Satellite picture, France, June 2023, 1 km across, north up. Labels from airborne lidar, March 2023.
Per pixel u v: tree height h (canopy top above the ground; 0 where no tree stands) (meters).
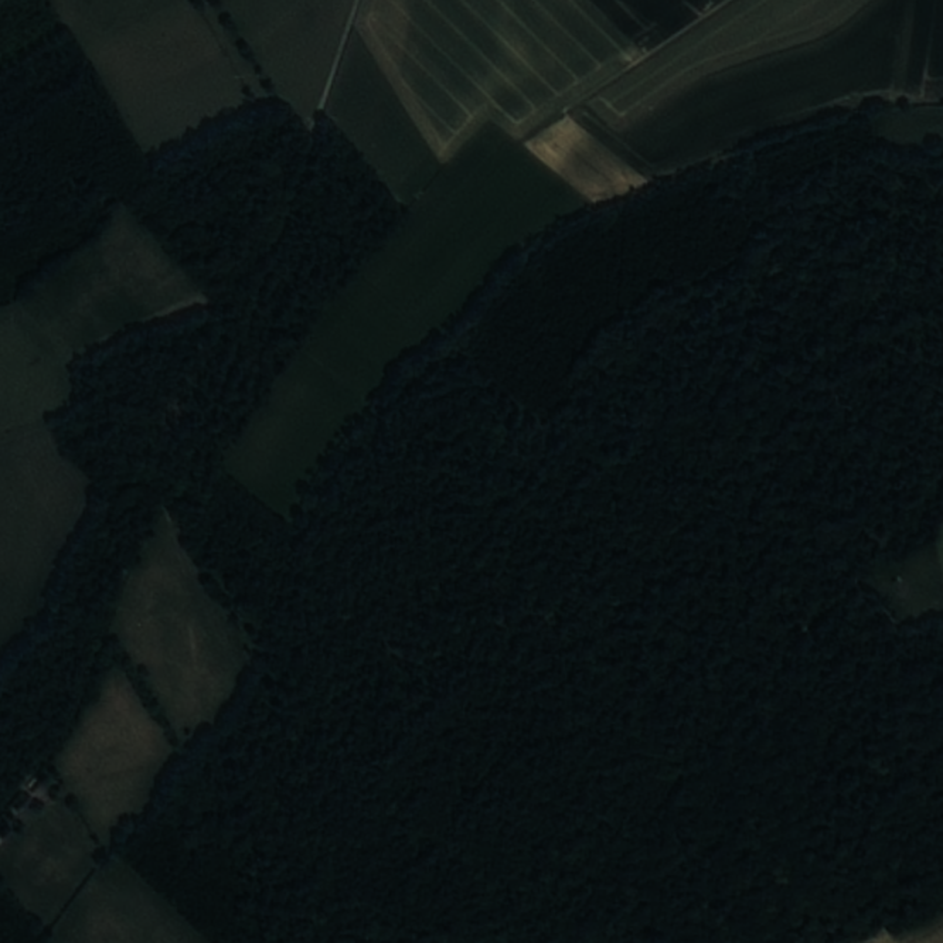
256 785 27
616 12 0
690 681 23
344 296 0
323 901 23
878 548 22
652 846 21
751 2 0
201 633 0
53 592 21
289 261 19
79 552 21
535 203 0
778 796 24
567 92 0
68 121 21
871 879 24
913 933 0
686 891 18
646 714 16
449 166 0
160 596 0
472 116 0
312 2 0
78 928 0
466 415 23
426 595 18
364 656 22
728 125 0
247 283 20
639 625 21
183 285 0
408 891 22
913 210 12
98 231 12
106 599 22
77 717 12
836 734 19
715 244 10
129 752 0
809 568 19
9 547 0
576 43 0
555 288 12
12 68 14
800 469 20
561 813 16
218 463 22
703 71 0
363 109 0
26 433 0
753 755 20
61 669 21
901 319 21
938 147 20
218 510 22
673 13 0
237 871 8
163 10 0
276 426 0
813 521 21
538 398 11
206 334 22
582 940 23
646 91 0
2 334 0
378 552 17
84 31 0
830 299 18
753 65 0
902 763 20
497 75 0
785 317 21
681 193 13
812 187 26
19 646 21
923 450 26
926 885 27
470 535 20
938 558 0
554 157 0
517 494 23
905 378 22
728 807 22
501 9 0
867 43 0
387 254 0
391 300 0
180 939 0
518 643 16
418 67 0
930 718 25
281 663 23
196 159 21
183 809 25
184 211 23
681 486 20
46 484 0
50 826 0
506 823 22
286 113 19
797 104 0
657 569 18
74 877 0
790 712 22
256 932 9
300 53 0
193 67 0
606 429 28
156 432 25
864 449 23
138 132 0
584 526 21
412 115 0
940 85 0
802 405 22
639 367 27
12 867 0
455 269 0
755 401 24
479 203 0
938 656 9
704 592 24
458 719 18
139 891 0
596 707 15
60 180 17
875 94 0
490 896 18
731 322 22
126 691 0
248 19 0
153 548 0
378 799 20
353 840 25
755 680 21
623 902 25
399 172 0
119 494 22
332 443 0
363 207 23
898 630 11
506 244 0
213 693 0
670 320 23
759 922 27
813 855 30
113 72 0
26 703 23
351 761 17
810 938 24
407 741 19
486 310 14
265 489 0
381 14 0
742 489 21
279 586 22
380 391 7
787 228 24
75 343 0
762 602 22
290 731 21
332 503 20
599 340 25
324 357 0
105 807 0
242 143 18
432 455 23
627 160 0
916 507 10
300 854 23
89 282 0
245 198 21
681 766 18
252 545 23
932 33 0
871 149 22
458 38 0
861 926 21
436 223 0
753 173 19
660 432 22
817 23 0
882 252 23
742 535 20
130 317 0
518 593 17
